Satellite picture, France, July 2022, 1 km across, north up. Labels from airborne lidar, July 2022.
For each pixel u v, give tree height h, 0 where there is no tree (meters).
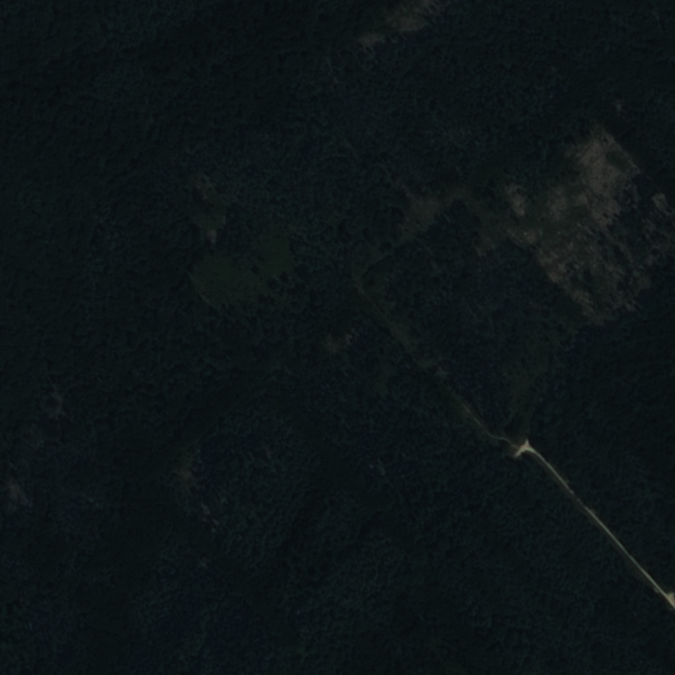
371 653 30
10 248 27
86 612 27
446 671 9
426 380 5
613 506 19
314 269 21
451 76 21
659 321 27
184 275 18
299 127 28
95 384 28
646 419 18
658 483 25
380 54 22
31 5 28
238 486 30
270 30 25
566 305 29
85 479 26
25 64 26
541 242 0
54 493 21
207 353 29
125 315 24
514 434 11
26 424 22
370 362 5
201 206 23
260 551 24
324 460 25
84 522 25
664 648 19
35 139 16
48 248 25
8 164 27
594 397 19
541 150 29
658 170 24
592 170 0
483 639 28
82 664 31
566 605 27
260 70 26
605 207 0
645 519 19
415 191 22
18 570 30
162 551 28
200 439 16
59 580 28
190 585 26
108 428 25
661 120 22
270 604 27
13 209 29
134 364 25
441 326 24
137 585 24
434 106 26
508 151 31
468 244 22
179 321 23
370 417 26
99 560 31
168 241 23
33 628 32
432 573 26
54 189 27
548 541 24
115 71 29
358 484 30
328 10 23
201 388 25
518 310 23
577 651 25
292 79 25
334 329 28
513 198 0
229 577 27
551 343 23
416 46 33
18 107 20
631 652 28
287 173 26
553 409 22
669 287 23
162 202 24
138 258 25
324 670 25
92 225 23
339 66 26
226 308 14
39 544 28
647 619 25
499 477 28
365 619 27
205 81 18
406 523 29
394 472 25
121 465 28
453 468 24
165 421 28
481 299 22
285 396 27
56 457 24
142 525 33
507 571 25
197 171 16
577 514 25
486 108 25
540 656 24
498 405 25
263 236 23
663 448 23
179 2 26
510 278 22
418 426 25
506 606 23
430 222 0
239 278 0
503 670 31
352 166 28
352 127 27
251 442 27
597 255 0
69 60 24
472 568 21
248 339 8
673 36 17
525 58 24
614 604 29
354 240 22
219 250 17
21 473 20
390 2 28
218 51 21
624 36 28
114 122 22
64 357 26
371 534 23
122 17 29
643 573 0
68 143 25
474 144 32
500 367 20
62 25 26
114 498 27
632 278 26
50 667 25
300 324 21
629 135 27
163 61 21
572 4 27
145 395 24
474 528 21
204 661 25
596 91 29
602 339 27
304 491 16
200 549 29
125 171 27
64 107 23
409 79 25
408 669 15
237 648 20
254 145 25
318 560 10
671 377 20
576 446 22
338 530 24
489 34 24
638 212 17
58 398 30
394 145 24
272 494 21
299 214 24
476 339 16
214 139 28
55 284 25
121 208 26
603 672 21
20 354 28
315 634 26
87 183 27
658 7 15
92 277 29
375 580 30
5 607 11
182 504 28
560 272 0
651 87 26
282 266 0
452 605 29
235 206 13
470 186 18
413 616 19
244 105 26
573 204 0
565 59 28
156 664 17
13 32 28
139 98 27
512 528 26
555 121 25
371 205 28
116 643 29
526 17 22
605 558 24
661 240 25
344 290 24
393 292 24
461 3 29
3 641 34
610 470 17
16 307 28
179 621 23
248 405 21
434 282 22
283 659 28
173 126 25
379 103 22
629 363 28
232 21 24
